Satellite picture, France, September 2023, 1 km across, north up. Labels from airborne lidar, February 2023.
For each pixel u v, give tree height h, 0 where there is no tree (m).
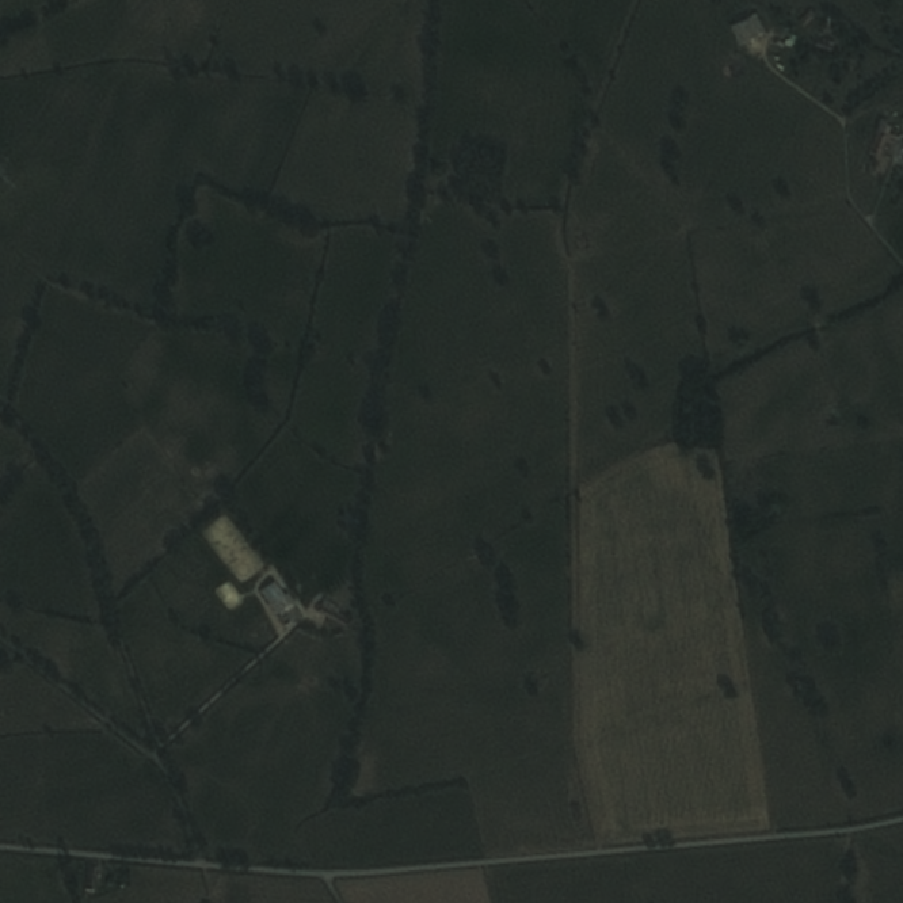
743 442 0
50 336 0
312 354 9
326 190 0
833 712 0
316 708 0
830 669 0
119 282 0
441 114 0
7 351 0
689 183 0
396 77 0
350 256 0
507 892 0
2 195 0
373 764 0
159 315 16
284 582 12
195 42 0
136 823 0
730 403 0
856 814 0
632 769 0
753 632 0
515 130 0
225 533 0
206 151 0
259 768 0
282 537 0
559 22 0
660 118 0
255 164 0
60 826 0
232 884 0
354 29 0
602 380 0
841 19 10
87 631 0
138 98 0
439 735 0
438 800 0
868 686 0
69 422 0
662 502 0
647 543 0
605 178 0
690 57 0
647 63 0
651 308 0
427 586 0
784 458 0
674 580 0
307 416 0
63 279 11
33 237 0
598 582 0
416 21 0
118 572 0
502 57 0
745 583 19
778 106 0
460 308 0
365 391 0
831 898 0
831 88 0
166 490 0
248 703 0
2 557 0
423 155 16
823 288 0
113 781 0
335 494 0
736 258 0
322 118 0
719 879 0
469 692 0
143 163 0
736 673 0
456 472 0
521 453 0
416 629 0
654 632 0
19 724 0
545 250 0
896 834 0
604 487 0
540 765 0
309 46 0
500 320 0
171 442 0
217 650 0
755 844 0
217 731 0
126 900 0
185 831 10
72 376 0
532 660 0
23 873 0
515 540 0
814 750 0
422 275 0
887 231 0
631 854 0
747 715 0
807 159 0
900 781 0
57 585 0
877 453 0
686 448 14
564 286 0
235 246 0
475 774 0
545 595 0
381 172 0
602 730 0
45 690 0
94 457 0
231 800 0
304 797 0
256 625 0
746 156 0
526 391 0
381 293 0
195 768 0
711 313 0
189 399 0
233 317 0
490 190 9
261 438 0
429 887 0
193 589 0
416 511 0
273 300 0
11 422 12
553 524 0
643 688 0
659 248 0
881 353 0
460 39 0
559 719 0
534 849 0
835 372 0
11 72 0
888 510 0
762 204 0
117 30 0
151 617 0
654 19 0
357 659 0
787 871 0
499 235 0
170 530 0
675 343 0
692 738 0
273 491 0
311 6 0
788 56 0
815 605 0
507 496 0
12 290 0
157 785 0
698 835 0
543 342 0
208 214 0
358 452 0
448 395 0
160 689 0
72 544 0
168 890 0
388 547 0
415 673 0
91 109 0
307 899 0
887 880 0
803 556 0
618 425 13
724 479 6
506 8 0
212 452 0
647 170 0
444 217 0
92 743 0
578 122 0
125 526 0
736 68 0
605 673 0
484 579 0
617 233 0
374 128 0
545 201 0
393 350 10
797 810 0
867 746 0
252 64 0
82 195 0
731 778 0
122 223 0
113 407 0
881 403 0
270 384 0
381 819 0
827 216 0
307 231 17
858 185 0
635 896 0
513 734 0
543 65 0
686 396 6
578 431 0
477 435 0
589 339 0
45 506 0
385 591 0
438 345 0
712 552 0
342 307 0
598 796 0
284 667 0
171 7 0
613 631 0
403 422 0
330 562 0
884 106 0
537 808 0
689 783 0
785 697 0
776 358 0
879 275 0
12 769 0
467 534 0
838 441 0
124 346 0
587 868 0
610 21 0
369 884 0
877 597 0
